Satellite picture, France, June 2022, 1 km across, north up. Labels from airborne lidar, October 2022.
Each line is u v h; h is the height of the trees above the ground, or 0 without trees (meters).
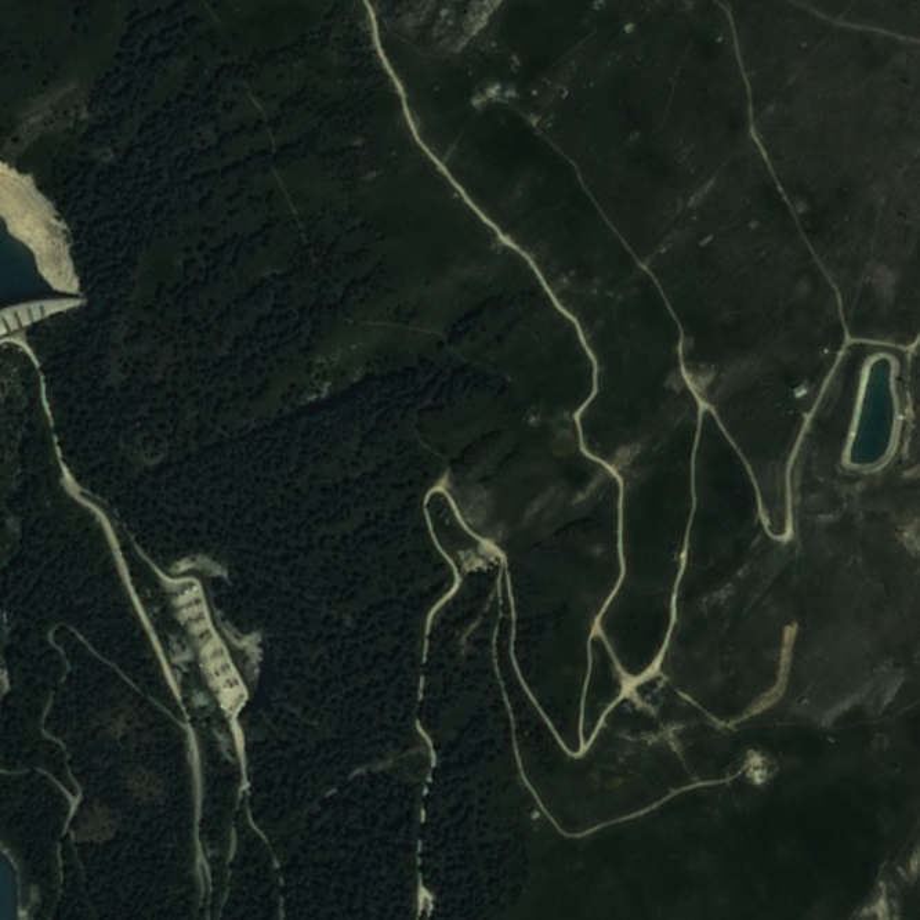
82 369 15
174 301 8
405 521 10
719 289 0
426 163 0
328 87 0
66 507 12
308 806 13
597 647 0
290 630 15
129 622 9
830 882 0
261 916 7
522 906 0
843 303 0
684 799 0
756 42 0
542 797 0
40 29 0
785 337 0
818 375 0
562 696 0
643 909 0
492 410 0
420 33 0
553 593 0
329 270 7
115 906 10
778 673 0
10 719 10
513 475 0
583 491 0
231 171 13
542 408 0
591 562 0
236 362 13
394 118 0
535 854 0
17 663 7
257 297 13
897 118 0
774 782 0
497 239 0
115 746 8
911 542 0
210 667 0
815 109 0
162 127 13
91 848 13
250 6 0
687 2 0
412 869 7
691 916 0
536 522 0
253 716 8
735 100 0
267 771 9
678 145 0
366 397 9
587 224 0
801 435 0
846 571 0
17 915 0
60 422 6
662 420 0
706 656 0
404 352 0
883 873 0
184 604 0
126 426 13
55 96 0
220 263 16
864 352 0
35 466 8
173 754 12
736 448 0
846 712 0
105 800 9
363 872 21
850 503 0
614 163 0
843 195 0
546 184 0
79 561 11
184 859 7
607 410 0
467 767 12
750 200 0
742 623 0
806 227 0
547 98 0
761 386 0
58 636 12
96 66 0
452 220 0
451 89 0
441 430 0
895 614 0
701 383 0
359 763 13
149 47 15
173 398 11
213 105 10
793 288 0
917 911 0
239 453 6
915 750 0
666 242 0
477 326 13
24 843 9
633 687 0
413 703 11
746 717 0
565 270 0
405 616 7
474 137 0
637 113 0
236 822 10
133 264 16
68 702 11
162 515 18
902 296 0
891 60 0
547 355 0
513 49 0
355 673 13
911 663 0
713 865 0
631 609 0
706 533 0
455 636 8
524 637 6
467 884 9
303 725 6
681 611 0
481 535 0
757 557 0
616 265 0
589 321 0
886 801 0
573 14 0
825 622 0
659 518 0
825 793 0
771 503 0
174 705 7
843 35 0
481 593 9
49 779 10
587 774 0
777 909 0
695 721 0
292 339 11
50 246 0
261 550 14
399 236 0
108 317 15
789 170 0
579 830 0
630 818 0
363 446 10
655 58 0
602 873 0
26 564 15
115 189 14
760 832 0
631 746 0
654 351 0
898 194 0
